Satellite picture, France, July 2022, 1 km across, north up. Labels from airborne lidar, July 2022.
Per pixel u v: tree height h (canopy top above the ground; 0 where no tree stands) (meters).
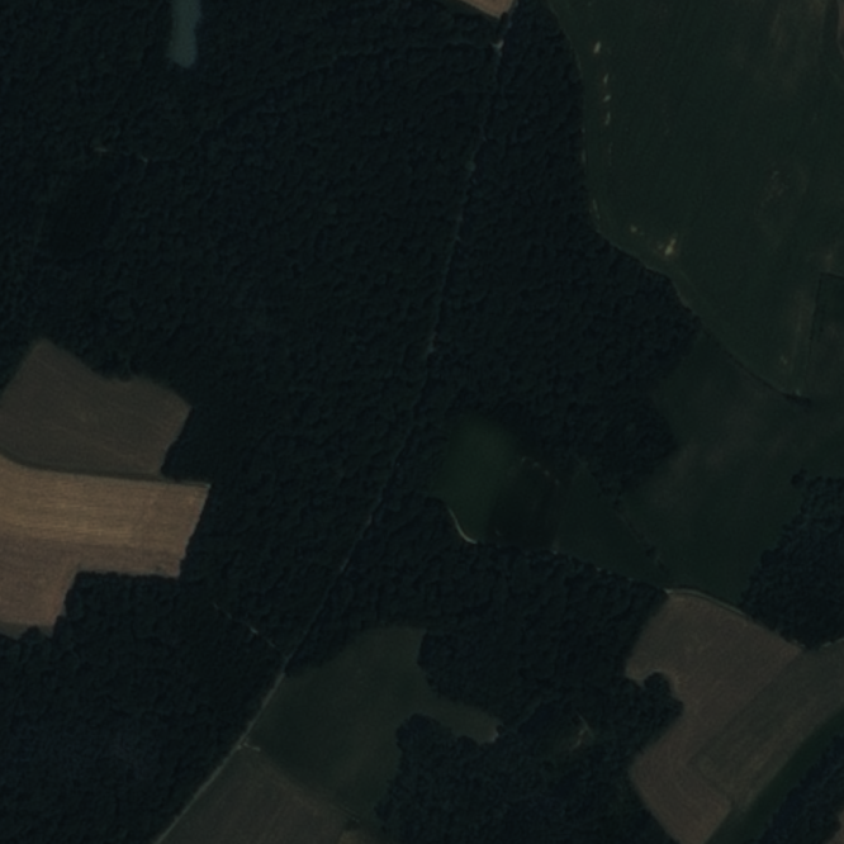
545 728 25
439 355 13
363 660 0
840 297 0
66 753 19
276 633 26
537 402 26
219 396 14
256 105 21
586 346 31
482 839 25
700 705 0
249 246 28
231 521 18
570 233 23
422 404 18
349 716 0
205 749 21
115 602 24
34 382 0
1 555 0
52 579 0
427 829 26
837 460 0
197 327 24
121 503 0
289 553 21
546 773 25
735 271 0
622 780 19
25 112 14
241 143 23
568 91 30
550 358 26
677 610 0
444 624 21
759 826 0
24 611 0
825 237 0
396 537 25
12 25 18
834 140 0
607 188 0
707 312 0
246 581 21
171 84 18
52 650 18
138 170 27
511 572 27
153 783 20
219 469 13
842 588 20
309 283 25
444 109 27
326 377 30
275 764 0
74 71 19
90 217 10
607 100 0
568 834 22
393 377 25
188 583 20
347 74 26
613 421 21
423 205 28
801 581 14
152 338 18
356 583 24
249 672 12
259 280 31
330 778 0
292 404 16
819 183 0
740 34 0
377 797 0
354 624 22
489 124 23
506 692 23
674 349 20
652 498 0
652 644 0
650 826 22
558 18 13
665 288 20
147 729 21
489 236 24
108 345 18
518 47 22
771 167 0
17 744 14
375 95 25
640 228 0
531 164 25
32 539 0
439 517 16
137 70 19
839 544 23
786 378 0
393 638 0
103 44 20
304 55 27
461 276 24
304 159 26
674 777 0
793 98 0
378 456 25
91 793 20
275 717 0
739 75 0
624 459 20
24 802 18
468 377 22
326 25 27
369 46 25
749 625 0
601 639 18
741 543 0
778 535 0
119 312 28
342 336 24
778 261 0
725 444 0
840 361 0
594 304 30
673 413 0
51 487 0
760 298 0
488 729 0
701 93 0
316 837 0
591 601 26
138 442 0
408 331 23
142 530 0
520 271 25
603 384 24
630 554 0
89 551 0
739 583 0
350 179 26
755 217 0
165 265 26
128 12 18
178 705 25
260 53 23
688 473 0
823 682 0
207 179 18
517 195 22
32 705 24
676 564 0
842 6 0
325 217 26
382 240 19
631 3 0
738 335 0
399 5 21
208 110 23
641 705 21
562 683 20
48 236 15
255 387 15
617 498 8
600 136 0
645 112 0
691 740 0
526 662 25
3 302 10
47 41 20
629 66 0
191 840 0
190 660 11
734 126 0
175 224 25
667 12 0
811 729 0
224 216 19
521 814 21
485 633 30
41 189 30
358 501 19
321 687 0
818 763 0
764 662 0
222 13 18
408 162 27
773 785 0
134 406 0
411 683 0
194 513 0
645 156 0
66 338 24
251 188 31
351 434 25
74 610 20
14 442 0
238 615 17
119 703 19
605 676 25
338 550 16
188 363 15
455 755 27
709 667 0
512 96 26
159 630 22
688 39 0
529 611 17
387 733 0
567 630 20
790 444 0
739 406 0
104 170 8
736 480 0
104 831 16
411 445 14
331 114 28
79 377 0
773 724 0
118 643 24
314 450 22
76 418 0
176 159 12
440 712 0
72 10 21
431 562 29
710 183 0
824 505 14
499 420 16
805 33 0
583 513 0
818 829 26
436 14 22
